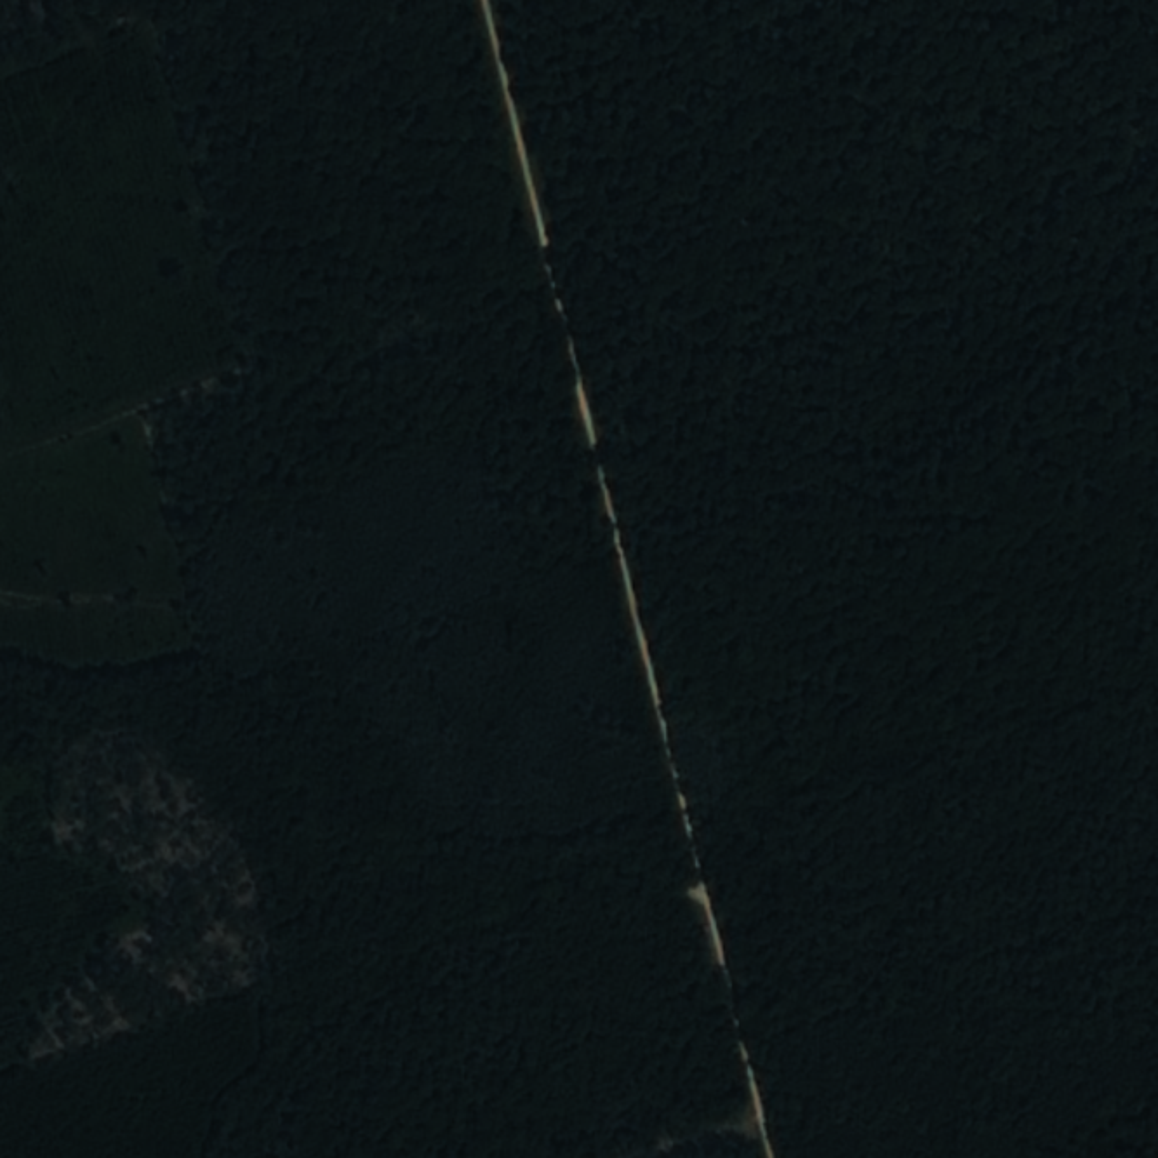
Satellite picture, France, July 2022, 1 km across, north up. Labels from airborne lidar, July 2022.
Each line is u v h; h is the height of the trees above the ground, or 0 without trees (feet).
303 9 81
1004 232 87
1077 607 73
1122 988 56
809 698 100
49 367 0
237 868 68
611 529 48
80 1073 39
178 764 67
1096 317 84
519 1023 71
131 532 0
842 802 77
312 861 57
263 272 86
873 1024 69
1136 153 87
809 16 81
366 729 54
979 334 80
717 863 59
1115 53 73
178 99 51
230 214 75
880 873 66
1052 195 75
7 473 0
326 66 72
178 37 83
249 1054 37
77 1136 28
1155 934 72
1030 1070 57
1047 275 81
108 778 77
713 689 86
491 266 78
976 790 60
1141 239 96
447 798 51
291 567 39
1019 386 84
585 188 80
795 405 83
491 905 75
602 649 40
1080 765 56
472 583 42
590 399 0
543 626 42
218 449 68
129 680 82
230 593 40
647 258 90
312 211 88
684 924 68
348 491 47
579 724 42
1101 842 66
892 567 89
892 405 74
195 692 73
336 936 64
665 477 71
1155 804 62
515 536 60
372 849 60
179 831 70
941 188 89
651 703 37
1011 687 77
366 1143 64
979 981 63
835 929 70
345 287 94
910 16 78
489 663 52
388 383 73
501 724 52
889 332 91
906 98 83
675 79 87
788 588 86
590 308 81
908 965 52
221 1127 63
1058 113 82
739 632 82
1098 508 87
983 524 79
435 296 83
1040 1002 45
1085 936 50
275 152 82
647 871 80
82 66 23
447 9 77
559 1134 54
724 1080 71
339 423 77
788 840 58
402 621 39
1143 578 76
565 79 79
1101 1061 65
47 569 62
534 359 79
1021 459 67
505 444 58
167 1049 41
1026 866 51
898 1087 67
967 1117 65
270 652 43
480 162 85
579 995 58
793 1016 65
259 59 92
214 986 74
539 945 60
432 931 68
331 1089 66
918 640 78
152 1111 25
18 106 25
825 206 97
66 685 57
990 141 92
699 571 79
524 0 84
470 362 86
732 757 55
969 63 96
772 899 49
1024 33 89
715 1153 76
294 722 64
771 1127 39
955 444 81
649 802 50
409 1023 56
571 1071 68
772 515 79
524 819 42
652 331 82
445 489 42
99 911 22
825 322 74
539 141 88
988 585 70
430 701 48
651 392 86
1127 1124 68
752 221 96
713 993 86
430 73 78
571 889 71
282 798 61
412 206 74
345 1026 64
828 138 94
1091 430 87
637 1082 68
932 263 91
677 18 87
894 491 80
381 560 49
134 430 0
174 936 69
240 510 90
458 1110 79
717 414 83
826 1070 60
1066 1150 50
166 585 0
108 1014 80
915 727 50
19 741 55
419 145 91
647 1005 75
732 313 77
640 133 86
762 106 87
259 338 81
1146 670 58
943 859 60
